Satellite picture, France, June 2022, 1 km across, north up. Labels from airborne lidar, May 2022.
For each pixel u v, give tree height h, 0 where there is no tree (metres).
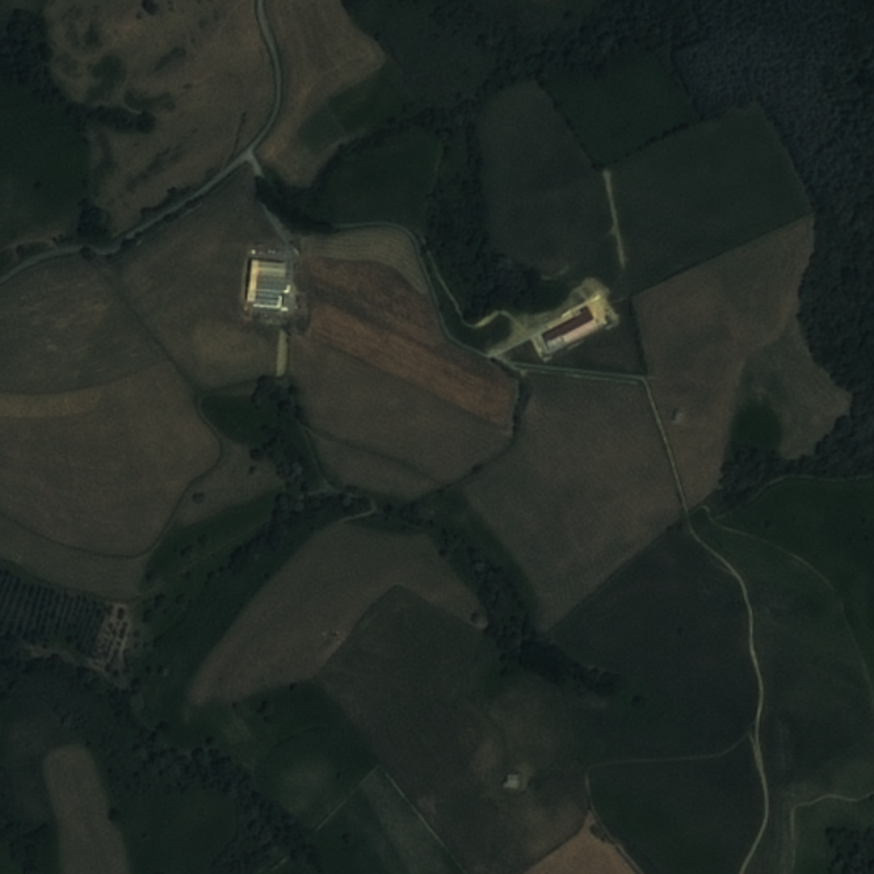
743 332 0
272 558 0
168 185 0
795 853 0
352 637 0
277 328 0
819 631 0
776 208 0
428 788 0
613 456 0
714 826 0
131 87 0
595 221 0
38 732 0
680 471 0
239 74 0
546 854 0
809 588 0
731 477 11
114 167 0
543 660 16
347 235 0
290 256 0
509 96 0
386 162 0
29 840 7
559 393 0
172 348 0
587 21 7
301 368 0
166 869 0
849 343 15
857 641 0
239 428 0
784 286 0
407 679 0
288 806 0
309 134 0
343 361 0
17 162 0
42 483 0
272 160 0
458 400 0
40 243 0
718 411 0
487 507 0
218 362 0
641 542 0
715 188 0
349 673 0
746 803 0
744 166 0
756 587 0
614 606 0
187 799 0
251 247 0
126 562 0
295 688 11
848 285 13
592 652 0
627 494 0
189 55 0
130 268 0
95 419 0
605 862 0
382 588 0
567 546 0
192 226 0
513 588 6
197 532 0
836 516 0
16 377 0
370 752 0
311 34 0
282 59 0
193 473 0
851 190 14
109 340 0
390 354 0
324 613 0
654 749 0
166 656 0
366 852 0
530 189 0
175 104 0
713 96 15
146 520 0
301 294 0
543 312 0
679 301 0
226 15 0
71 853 0
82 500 0
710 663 0
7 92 0
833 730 0
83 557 0
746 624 0
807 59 18
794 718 0
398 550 0
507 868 0
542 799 0
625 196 0
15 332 0
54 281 0
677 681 0
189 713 0
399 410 0
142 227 0
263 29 0
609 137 0
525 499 0
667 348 0
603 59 7
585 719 0
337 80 0
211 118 0
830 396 0
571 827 0
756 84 14
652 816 0
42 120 0
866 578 0
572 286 0
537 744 0
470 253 9
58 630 9
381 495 0
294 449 9
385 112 0
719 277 0
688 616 0
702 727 0
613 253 0
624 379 0
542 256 0
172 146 0
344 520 0
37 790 0
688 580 0
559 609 0
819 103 12
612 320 0
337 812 0
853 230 7
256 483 0
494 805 0
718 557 0
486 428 0
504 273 20
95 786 0
